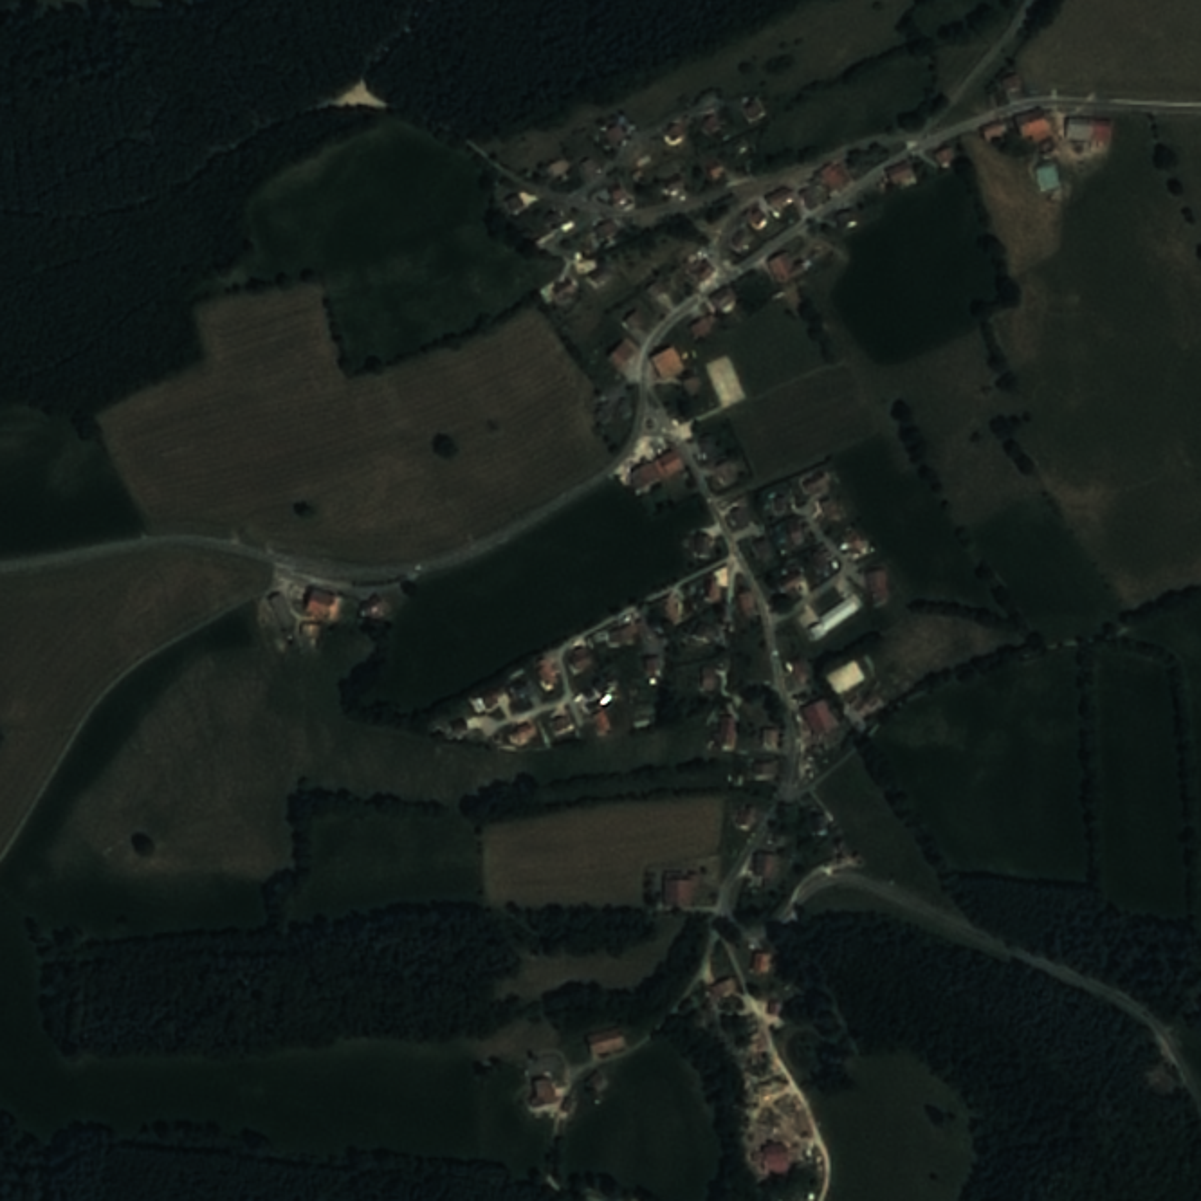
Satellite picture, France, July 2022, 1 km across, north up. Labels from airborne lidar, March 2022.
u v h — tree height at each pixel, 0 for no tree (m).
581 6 29
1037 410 0
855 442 0
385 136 0
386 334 0
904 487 0
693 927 8
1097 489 0
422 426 0
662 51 26
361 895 0
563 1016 20
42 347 13
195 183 11
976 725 0
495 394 0
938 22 0
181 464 0
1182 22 0
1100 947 27
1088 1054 17
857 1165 0
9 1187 25
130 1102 0
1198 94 0
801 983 25
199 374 0
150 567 0
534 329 0
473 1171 19
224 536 0
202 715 0
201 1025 26
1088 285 0
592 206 0
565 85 24
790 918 0
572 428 0
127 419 0
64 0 0
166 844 0
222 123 19
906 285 0
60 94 12
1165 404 0
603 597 0
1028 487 0
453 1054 0
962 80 0
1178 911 0
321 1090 0
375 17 16
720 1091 10
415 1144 0
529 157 0
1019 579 0
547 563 0
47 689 0
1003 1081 12
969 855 0
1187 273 0
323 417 0
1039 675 0
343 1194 12
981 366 0
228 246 18
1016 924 16
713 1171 0
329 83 17
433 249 0
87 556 0
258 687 0
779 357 0
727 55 0
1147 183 0
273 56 13
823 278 0
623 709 0
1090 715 16
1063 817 0
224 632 0
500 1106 0
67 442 0
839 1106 0
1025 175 0
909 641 0
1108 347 0
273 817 0
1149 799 0
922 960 16
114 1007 20
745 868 0
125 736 0
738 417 0
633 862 0
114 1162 21
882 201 0
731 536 0
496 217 17
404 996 24
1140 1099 19
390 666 18
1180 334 0
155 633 0
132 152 18
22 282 15
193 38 15
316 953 23
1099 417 0
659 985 19
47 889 0
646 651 0
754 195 0
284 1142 0
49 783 0
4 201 16
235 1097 0
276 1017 23
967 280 0
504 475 0
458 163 0
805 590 0
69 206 16
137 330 16
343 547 0
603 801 6
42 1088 0
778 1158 0
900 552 0
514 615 0
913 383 0
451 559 0
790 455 0
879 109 0
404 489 0
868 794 0
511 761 0
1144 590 0
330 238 0
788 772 0
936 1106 0
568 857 0
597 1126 0
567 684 0
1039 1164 20
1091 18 0
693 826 0
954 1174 0
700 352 0
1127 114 0
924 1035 15
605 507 0
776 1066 0
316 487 0
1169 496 0
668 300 0
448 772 0
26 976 0
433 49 19
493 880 0
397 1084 0
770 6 15
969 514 0
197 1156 19
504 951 25
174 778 0
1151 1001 24
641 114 0
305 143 13
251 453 0
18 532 0
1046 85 0
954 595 0
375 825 0
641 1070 0
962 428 0
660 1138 0
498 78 18
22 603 0
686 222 15
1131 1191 15
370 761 0
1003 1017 14
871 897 0
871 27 0
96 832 0
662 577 0
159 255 16
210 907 0
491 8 16
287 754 0
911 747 0
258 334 0
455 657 0
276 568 0
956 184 0
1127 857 0
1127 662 0
